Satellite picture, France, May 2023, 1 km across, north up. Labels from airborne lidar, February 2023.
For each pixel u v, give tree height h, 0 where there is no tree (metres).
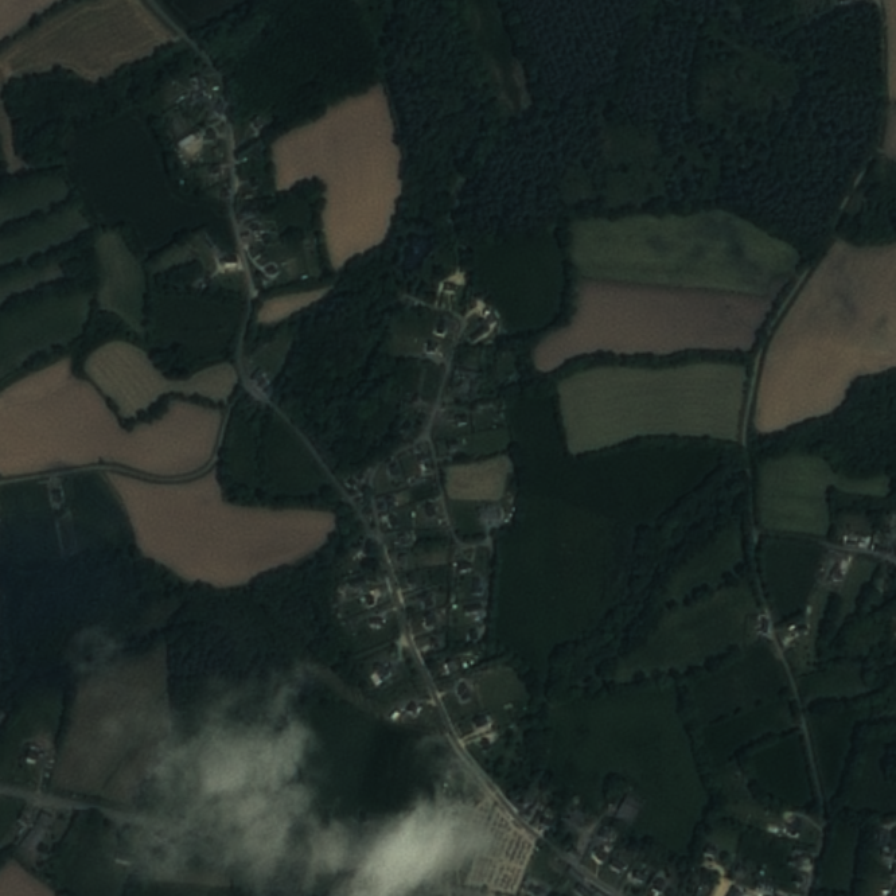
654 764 0
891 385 9
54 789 0
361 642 0
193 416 0
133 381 0
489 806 0
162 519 0
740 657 17
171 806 0
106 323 9
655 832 0
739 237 0
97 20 0
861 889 12
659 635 0
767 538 10
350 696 0
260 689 18
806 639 0
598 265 0
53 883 10
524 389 18
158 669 0
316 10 21
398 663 0
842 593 0
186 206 0
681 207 15
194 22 0
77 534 0
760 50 17
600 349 0
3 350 0
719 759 0
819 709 16
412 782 0
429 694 0
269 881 22
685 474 0
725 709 0
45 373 0
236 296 8
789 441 13
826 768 0
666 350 0
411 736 0
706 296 0
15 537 0
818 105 23
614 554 0
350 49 21
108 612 11
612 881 0
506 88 0
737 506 19
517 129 23
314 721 0
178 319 0
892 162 0
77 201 14
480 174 27
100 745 0
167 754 8
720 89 0
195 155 0
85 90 12
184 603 7
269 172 11
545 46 16
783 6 24
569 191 0
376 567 15
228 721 17
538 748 6
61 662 0
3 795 0
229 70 18
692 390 0
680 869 11
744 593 0
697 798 0
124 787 0
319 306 11
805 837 0
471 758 0
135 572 8
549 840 7
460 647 7
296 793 19
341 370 12
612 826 11
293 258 0
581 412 0
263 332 6
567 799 8
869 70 16
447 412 0
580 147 29
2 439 0
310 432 14
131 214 0
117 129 0
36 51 0
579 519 0
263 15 23
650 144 0
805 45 15
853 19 19
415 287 8
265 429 6
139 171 0
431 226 10
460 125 15
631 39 15
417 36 9
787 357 0
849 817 17
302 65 22
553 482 0
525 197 28
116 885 0
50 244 0
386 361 26
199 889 0
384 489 0
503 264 0
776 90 0
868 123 25
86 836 0
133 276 0
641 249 0
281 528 0
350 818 0
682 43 15
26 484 0
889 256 0
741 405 8
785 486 0
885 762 10
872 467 13
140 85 11
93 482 0
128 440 0
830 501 8
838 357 0
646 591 18
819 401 0
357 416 17
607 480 0
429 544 11
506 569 0
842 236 8
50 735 0
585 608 0
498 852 0
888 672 11
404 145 23
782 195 21
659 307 0
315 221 10
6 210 0
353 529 9
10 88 8
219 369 0
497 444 0
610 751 0
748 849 0
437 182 18
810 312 0
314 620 19
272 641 12
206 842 9
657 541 12
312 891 0
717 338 0
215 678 17
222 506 0
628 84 15
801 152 15
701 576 0
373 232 0
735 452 12
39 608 6
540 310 0
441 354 0
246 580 0
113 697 0
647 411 0
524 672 14
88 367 0
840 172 15
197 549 0
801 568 0
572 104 23
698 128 14
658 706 0
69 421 0
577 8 18
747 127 14
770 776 0
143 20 0
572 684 8
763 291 0
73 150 0
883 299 0
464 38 18
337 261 0
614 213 8
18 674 9
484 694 0
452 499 0
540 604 0
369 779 0
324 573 17
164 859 15
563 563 0
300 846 8
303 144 0
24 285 0
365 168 0
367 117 0
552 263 0
